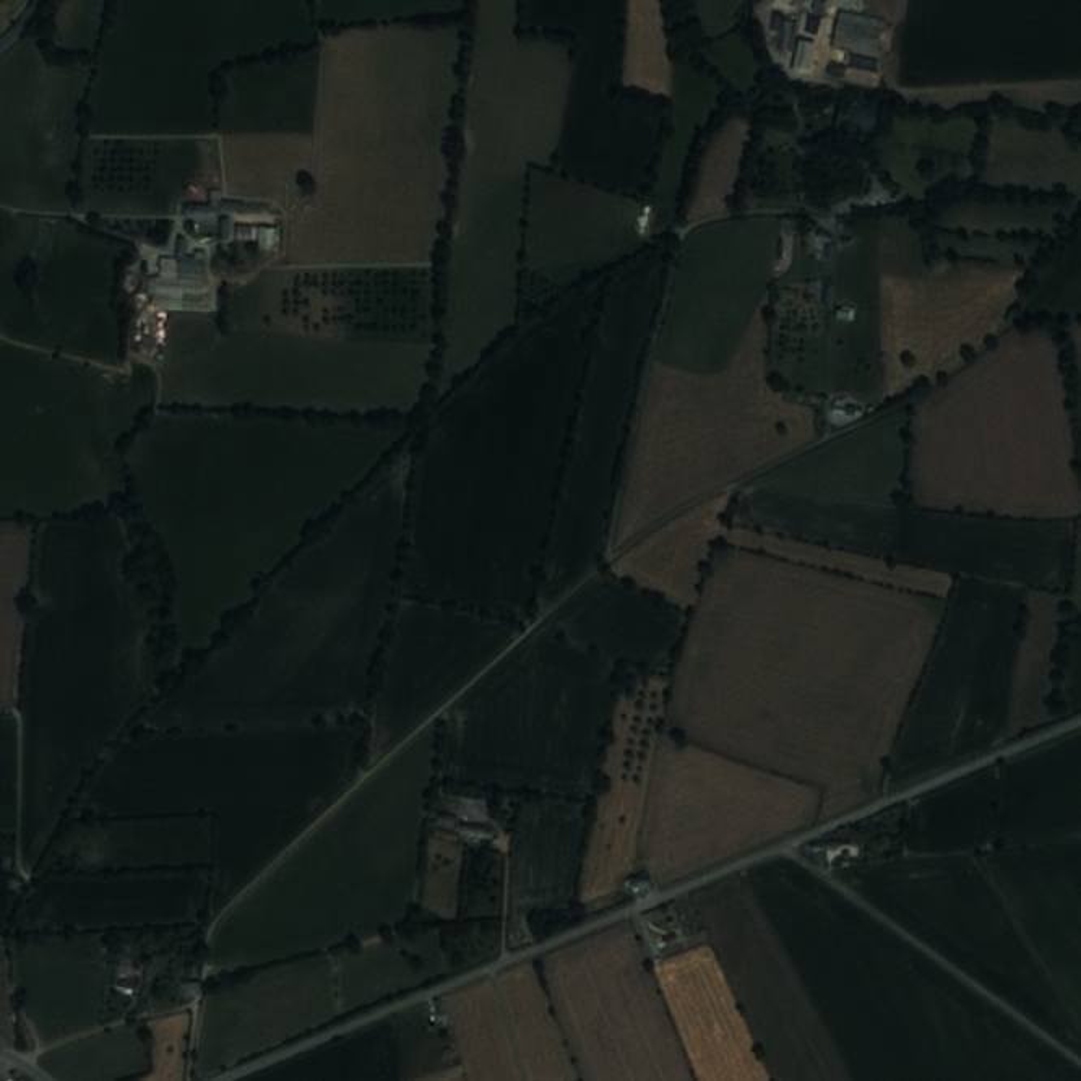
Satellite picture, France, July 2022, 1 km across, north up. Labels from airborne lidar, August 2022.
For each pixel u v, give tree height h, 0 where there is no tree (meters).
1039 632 0
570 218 0
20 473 0
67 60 14
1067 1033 0
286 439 0
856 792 0
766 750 0
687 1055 0
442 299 14
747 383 0
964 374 0
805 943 0
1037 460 0
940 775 0
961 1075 0
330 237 0
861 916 0
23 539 0
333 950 6
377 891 0
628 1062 0
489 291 0
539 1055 0
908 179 0
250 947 0
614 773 0
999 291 0
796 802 0
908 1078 0
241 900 0
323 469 0
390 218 0
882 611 0
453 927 6
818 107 9
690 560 0
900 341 0
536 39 10
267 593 11
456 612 10
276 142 0
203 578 0
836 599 0
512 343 12
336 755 0
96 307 0
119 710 0
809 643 0
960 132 0
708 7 0
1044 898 0
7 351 0
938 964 0
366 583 0
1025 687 0
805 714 0
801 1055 0
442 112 0
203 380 0
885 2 0
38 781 0
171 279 0
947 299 0
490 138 0
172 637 18
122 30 0
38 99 0
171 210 0
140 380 0
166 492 0
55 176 0
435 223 0
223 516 0
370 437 0
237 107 0
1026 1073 0
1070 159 0
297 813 0
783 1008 0
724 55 0
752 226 0
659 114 14
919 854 0
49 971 0
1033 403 0
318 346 0
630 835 0
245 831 0
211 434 0
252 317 0
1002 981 0
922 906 0
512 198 0
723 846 0
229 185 0
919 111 19
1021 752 0
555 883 0
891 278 0
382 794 0
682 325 0
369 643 0
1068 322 15
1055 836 0
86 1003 0
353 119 0
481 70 0
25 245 0
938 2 0
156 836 0
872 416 6
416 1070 0
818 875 0
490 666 0
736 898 0
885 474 0
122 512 14
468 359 0
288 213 0
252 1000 0
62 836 8
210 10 0
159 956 6
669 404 0
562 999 0
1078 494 0
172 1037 0
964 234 11
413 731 0
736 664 0
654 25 0
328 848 0
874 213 8
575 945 0
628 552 0
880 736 0
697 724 0
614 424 0
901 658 0
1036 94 0
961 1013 0
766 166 10
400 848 0
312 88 0
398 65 0
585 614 0
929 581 0
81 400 0
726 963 0
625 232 0
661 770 0
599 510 0
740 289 0
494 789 6
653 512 0
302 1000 0
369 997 0
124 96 0
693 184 17
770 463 0
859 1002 0
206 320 0
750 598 0
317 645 0
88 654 0
